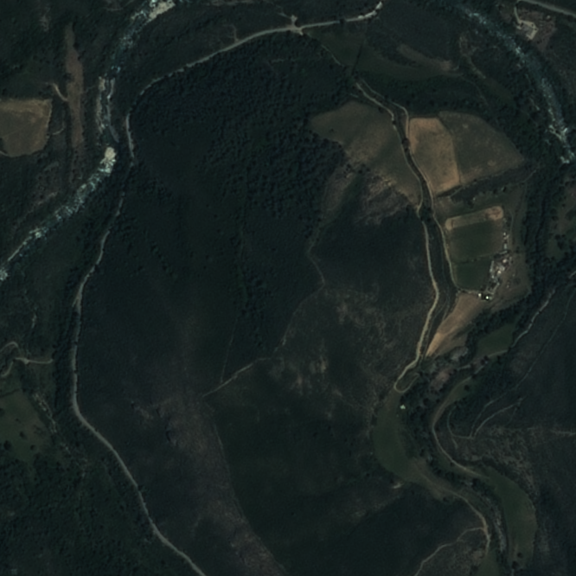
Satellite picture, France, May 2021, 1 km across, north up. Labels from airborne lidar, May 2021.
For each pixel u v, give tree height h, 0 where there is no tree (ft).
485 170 0
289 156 58
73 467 23
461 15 37
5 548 43
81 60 33
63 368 24
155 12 0
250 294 21
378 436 0
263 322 19
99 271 56
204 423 0
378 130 0
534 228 62
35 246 29
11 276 40
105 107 0
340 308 0
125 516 23
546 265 43
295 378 0
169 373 0
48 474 27
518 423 0
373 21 45
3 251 19
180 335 0
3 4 20
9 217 18
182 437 0
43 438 0
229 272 20
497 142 0
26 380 24
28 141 0
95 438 20
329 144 68
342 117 0
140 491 33
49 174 25
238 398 0
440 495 0
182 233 37
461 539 0
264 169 23
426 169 0
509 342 0
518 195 0
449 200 0
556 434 0
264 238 20
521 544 0
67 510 36
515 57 37
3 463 41
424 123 0
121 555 26
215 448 0
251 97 43
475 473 0
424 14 0
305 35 35
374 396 0
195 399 0
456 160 0
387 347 0
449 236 0
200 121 54
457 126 0
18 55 52
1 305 22
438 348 0
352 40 0
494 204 0
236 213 33
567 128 65
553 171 36
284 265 20
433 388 18
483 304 0
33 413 0
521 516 0
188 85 46
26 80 0
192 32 21
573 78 0
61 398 42
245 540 0
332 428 40
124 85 17
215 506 0
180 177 26
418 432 58
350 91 41
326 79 20
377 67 0
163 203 25
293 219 22
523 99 68
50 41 22
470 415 24
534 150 43
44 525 25
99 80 29
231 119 59
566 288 21
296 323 0
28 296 25
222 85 58
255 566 0
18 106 0
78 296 0
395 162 0
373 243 22
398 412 0
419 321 0
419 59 0
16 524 45
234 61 42
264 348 39
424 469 0
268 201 46
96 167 25
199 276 30
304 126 23
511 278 0
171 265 24
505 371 28
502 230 0
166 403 0
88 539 46
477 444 0
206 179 24
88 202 36
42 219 43
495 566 0
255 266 20
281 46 35
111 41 23
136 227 30
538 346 0
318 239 24
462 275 0
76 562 24
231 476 0
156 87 47
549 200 42
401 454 0
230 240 21
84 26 26
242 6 21
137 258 26
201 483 0
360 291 0
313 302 0
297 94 20
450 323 0
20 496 44
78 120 0
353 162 0
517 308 51
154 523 22
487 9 41
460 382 0
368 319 0
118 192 36
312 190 34
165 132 45
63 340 34
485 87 22
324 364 0
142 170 41
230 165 24
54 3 20
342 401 0
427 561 0
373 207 0
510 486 0
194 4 21
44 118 0
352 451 35
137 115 33
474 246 0
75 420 23
